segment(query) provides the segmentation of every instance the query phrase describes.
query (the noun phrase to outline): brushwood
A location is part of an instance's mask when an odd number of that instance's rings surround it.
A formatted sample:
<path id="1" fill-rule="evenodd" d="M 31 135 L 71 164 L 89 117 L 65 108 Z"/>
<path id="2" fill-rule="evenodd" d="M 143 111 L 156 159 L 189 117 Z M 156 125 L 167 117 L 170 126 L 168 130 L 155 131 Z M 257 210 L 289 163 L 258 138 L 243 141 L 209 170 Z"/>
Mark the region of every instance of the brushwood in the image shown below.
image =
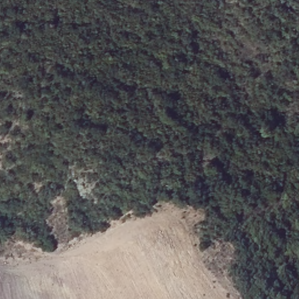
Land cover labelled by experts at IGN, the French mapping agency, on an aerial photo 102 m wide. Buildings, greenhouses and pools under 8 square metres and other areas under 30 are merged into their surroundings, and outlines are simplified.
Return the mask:
<path id="1" fill-rule="evenodd" d="M 18 253 L 18 257 L 21 258 L 26 249 L 16 241 L 32 243 L 47 252 L 55 251 L 57 244 L 46 221 L 53 213 L 51 201 L 57 196 L 63 197 L 67 204 L 69 221 L 65 223 L 65 227 L 74 238 L 82 234 L 104 232 L 110 228 L 112 220 L 126 222 L 134 220 L 135 217 L 152 215 L 154 204 L 161 201 L 171 202 L 178 208 L 201 208 L 206 202 L 217 201 L 214 196 L 209 196 L 209 189 L 204 181 L 206 175 L 203 172 L 204 168 L 215 168 L 234 192 L 241 192 L 243 199 L 249 196 L 251 186 L 266 188 L 272 193 L 283 193 L 281 206 L 278 207 L 281 220 L 272 213 L 269 227 L 276 232 L 281 242 L 299 242 L 299 0 L 0 0 L 0 256 L 12 258 L 13 253 Z"/>

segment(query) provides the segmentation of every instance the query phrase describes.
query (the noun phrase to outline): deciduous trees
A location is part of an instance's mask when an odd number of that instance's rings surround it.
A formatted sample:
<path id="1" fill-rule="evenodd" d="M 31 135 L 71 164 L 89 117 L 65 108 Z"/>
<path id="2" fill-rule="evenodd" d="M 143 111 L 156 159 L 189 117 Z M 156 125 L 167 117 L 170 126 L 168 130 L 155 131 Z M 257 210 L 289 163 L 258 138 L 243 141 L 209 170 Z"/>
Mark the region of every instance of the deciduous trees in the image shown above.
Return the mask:
<path id="1" fill-rule="evenodd" d="M 214 196 L 217 201 L 206 202 L 201 208 L 204 211 L 204 220 L 200 221 L 200 249 L 208 249 L 215 241 L 234 244 L 235 255 L 231 260 L 229 278 L 236 290 L 241 293 L 242 299 L 299 299 L 299 242 L 281 242 L 276 232 L 269 227 L 272 213 L 281 220 L 278 207 L 281 206 L 283 193 L 272 193 L 266 188 L 251 186 L 249 196 L 243 199 L 241 192 L 234 192 L 215 168 L 204 168 L 203 172 L 206 175 L 204 181 L 209 189 L 209 196 Z"/>

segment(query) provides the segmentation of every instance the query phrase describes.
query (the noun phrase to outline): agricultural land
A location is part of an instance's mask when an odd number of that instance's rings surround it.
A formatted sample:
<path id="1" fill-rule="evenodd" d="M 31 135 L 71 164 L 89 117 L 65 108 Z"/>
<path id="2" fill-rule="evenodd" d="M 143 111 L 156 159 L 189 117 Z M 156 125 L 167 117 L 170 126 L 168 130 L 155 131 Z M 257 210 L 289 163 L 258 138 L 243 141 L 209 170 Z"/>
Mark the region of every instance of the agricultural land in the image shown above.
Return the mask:
<path id="1" fill-rule="evenodd" d="M 47 252 L 32 243 L 16 241 L 26 249 L 21 258 L 18 257 L 18 253 L 13 253 L 12 258 L 0 256 L 0 299 L 242 299 L 241 293 L 236 290 L 229 278 L 231 260 L 235 255 L 234 244 L 215 241 L 208 249 L 200 249 L 200 221 L 204 220 L 204 211 L 201 208 L 178 208 L 171 202 L 161 201 L 154 204 L 152 215 L 135 217 L 134 220 L 126 222 L 112 220 L 110 228 L 104 232 L 82 234 L 74 238 L 69 243 L 57 244 L 55 251 Z"/>

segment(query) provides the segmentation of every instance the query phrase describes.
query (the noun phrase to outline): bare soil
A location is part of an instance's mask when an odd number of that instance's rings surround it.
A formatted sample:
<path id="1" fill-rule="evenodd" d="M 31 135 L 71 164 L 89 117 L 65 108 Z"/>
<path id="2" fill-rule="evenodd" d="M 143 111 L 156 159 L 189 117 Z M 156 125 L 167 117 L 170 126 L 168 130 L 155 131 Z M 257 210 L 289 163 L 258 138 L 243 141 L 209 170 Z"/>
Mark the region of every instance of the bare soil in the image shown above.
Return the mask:
<path id="1" fill-rule="evenodd" d="M 67 204 L 63 197 L 57 196 L 51 201 L 53 213 L 46 221 L 57 244 L 69 243 L 74 238 L 65 227 L 65 223 L 69 221 Z"/>

